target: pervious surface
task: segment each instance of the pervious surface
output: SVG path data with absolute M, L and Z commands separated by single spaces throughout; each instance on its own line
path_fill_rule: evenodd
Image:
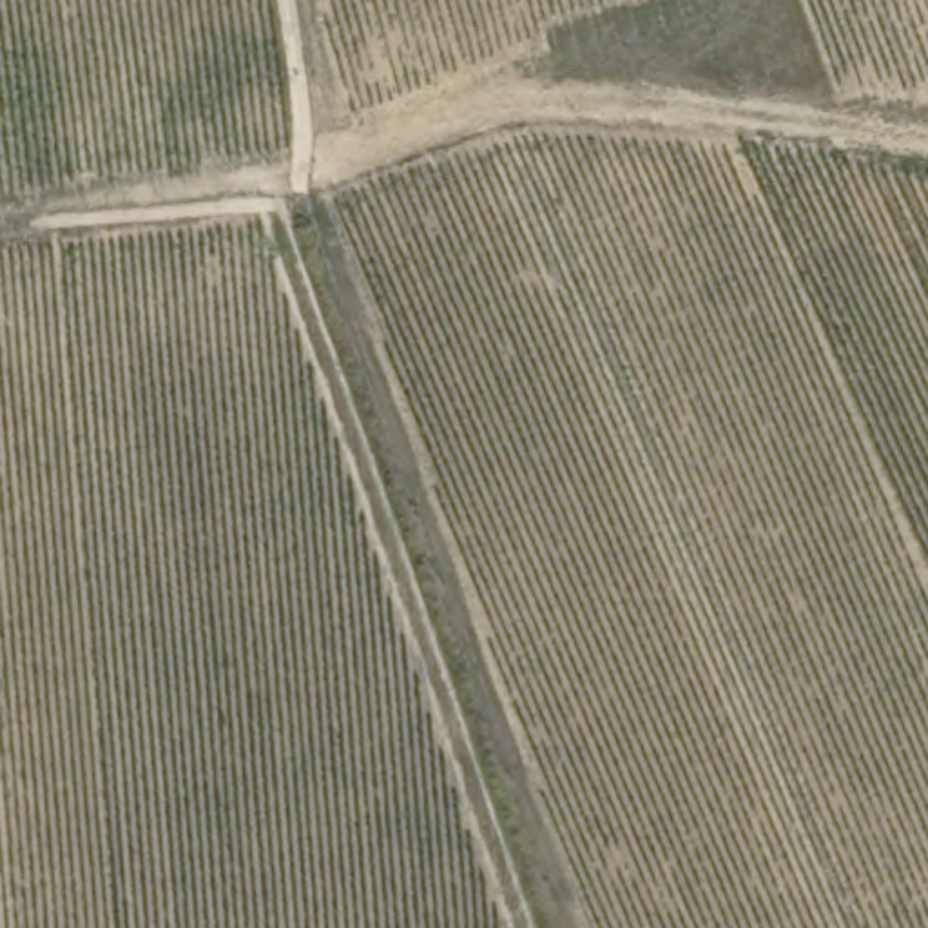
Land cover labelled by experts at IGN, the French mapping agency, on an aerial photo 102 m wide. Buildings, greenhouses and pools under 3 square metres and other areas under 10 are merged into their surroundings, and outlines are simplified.
M 294 0 L 276 0 L 294 116 L 290 160 L 294 189 L 308 192 L 312 131 L 308 76 L 301 58 Z

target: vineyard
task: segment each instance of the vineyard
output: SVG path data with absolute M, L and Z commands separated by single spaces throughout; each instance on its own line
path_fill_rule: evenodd
M 798 0 L 823 76 L 837 98 L 928 105 L 928 0 Z
M 290 160 L 294 116 L 276 0 L 0 0 L 0 928 L 529 928 L 529 899 L 522 892 L 518 866 L 500 827 L 497 805 L 489 798 L 489 787 L 482 787 L 486 798 L 471 805 L 468 779 L 460 769 L 460 754 L 475 754 L 475 740 L 450 663 L 442 656 L 435 624 L 428 616 L 428 602 L 417 584 L 413 566 L 424 562 L 424 555 L 450 558 L 457 573 L 489 685 L 500 700 L 508 732 L 526 769 L 533 808 L 569 888 L 569 917 L 576 928 L 928 928 L 928 156 L 906 156 L 874 145 L 837 149 L 827 138 L 736 131 L 718 123 L 667 127 L 653 120 L 504 120 L 482 131 L 446 134 L 442 141 L 417 145 L 406 156 L 359 170 L 344 181 L 319 185 L 315 192 L 330 214 L 334 247 L 344 257 L 344 276 L 366 319 L 373 359 L 384 373 L 392 406 L 402 421 L 428 500 L 428 515 L 410 518 L 413 537 L 406 540 L 399 533 L 377 457 L 370 450 L 366 424 L 359 417 L 348 373 L 341 366 L 315 283 L 308 276 L 294 218 L 279 221 L 276 214 L 250 214 L 243 221 L 221 225 L 214 218 L 174 218 L 36 228 L 36 218 L 47 214 L 51 199 L 94 196 L 116 185 L 145 185 L 152 178 L 189 178 L 199 174 L 203 156 L 228 156 L 239 167 L 268 167 Z
M 468 73 L 468 87 L 475 94 L 486 87 L 511 83 L 518 76 L 518 58 L 547 54 L 551 29 L 613 7 L 634 7 L 645 0 L 294 0 L 301 58 L 308 76 L 312 131 L 355 134 L 363 127 L 363 109 L 392 102 L 413 87 L 435 83 L 442 73 L 453 69 Z

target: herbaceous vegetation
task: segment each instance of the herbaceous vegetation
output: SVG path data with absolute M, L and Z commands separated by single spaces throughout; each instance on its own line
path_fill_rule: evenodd
M 417 145 L 442 141 L 446 134 L 482 131 L 504 120 L 653 120 L 667 127 L 718 123 L 736 131 L 827 138 L 837 149 L 874 145 L 906 156 L 928 156 L 928 105 L 837 98 L 823 76 L 798 0 L 645 0 L 634 7 L 613 7 L 551 29 L 547 54 L 518 58 L 518 76 L 511 83 L 486 87 L 475 94 L 468 87 L 468 73 L 453 69 L 442 73 L 435 83 L 413 87 L 392 102 L 363 109 L 363 127 L 355 134 L 312 131 L 308 192 L 294 189 L 290 160 L 268 167 L 239 167 L 228 156 L 203 156 L 199 174 L 189 178 L 152 178 L 145 185 L 116 185 L 94 196 L 51 199 L 47 214 L 36 218 L 36 228 L 174 218 L 214 218 L 221 225 L 243 221 L 250 214 L 276 214 L 279 221 L 294 218 L 308 276 L 315 283 L 341 366 L 348 373 L 359 417 L 366 424 L 370 450 L 377 457 L 399 533 L 406 540 L 413 537 L 410 518 L 428 515 L 428 500 L 402 421 L 392 406 L 384 373 L 373 359 L 366 319 L 344 276 L 344 257 L 334 247 L 330 214 L 315 192 L 319 185 L 344 181 L 359 170 L 406 156 Z
M 442 656 L 450 663 L 475 740 L 475 754 L 460 754 L 460 769 L 468 779 L 471 805 L 486 798 L 482 787 L 489 787 L 489 798 L 497 805 L 500 827 L 518 866 L 522 892 L 529 899 L 529 928 L 576 928 L 569 917 L 569 888 L 533 808 L 526 769 L 508 732 L 500 700 L 489 685 L 457 573 L 450 558 L 424 555 L 424 562 L 413 566 L 417 584 L 428 602 L 428 616 L 435 624 Z

